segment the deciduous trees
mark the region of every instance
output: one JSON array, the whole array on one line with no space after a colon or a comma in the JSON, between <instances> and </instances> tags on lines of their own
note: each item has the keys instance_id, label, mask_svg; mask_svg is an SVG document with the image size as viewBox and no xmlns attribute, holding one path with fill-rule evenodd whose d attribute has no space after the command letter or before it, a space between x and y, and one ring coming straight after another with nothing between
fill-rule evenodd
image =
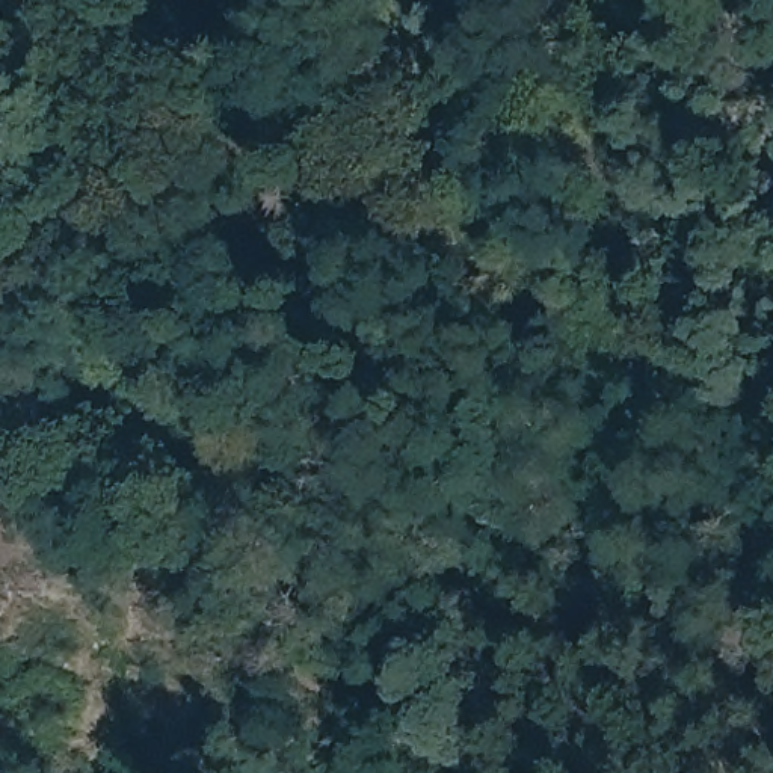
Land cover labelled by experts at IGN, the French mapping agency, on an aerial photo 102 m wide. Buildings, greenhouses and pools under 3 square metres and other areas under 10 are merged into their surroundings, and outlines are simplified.
<instances>
[{"instance_id":1,"label":"deciduous trees","mask_svg":"<svg viewBox=\"0 0 773 773\"><path fill-rule=\"evenodd\" d=\"M275 670L260 670L257 679L248 682L251 698L242 731L233 734L229 722L211 725L205 731L205 743L187 749L190 773L507 773L504 761L516 743L510 731L516 719L544 728L547 740L553 746L562 746L568 740L571 716L595 722L604 731L607 758L601 764L601 773L773 773L773 752L767 746L746 746L740 752L740 767L728 767L722 758L722 740L734 728L755 722L755 710L749 701L731 701L725 707L716 707L698 725L688 728L673 722L673 713L685 694L707 691L713 685L713 667L725 661L719 655L719 643L725 628L740 628L743 655L752 658L758 667L755 685L761 691L773 688L773 547L764 553L758 571L749 580L737 580L734 571L719 571L710 586L698 589L694 583L688 583L685 571L691 562L704 559L707 547L722 553L737 550L743 525L773 528L773 390L764 399L761 393L749 393L743 387L743 377L752 377L758 371L758 350L770 347L770 341L764 335L740 332L737 320L743 311L743 287L731 284L731 275L734 269L746 269L755 275L773 275L773 220L767 214L758 214L755 223L746 229L728 229L728 217L740 214L755 199L761 154L770 154L773 160L773 112L764 118L764 133L746 127L731 139L701 136L673 145L661 139L658 118L640 118L637 109L649 103L649 85L658 88L667 100L679 100L694 115L719 115L722 100L731 88L743 85L755 69L773 66L773 0L749 0L734 12L737 36L713 39L707 33L707 24L725 9L722 0L646 0L643 15L634 21L631 33L601 39L589 15L589 0L456 0L456 21L444 24L441 39L426 39L426 54L432 54L432 66L426 69L420 63L402 63L402 48L387 45L387 36L399 36L405 30L417 33L423 21L420 3L411 6L411 12L405 12L396 0L251 0L239 12L226 12L229 24L217 36L217 42L202 39L193 48L187 48L178 39L163 39L160 45L151 45L130 39L130 24L136 15L148 9L148 0L0 0L0 399L33 390L42 402L51 402L66 396L66 387L72 380L109 390L109 408L82 402L66 417L39 420L33 426L18 429L0 429L0 525L3 540L12 544L24 537L33 547L27 568L42 568L45 577L66 577L72 592L82 598L66 613L60 613L54 604L36 604L33 610L27 610L18 631L0 640L0 773L139 773L112 749L97 746L97 758L88 758L82 749L69 746L75 728L69 725L66 713L82 713L88 679L63 667L69 655L82 652L94 661L106 661L112 667L112 679L139 679L142 652L130 649L133 634L124 628L127 619L121 607L109 601L115 589L136 592L139 571L184 574L187 586L181 592L142 613L151 622L163 622L172 631L190 625L196 634L202 634L202 643L214 649L233 649L242 640L242 634L257 628L260 616L266 613L269 595L278 583L290 583L293 574L305 580L299 598L308 601L308 613L287 634L284 655L275 664ZM477 106L462 121L456 121L444 133L444 139L435 139L441 166L432 178L426 178L420 166L429 151L429 142L414 142L411 133L417 133L426 124L432 106L447 103L456 91L474 97ZM242 148L233 136L226 136L226 127L220 124L220 115L229 109L242 109L251 118L269 118L272 112L296 106L320 106L317 115L296 124L281 145L260 145L257 151ZM577 145L583 145L586 151L580 163L565 163L556 154L556 139L550 127L559 112L571 115L565 133L574 136ZM229 248L217 239L211 220L245 211L254 202L257 190L278 190L281 196L299 193L311 202L356 196L368 208L368 217L377 220L377 226L371 226L365 236L338 233L332 239L311 239L296 236L290 226L269 226L266 239L272 251L281 254L275 266L266 272L266 278L254 284L229 281ZM634 245L634 266L622 278L607 275L604 251L583 254L583 245L589 242L589 233L598 217L625 226ZM531 293L537 302L547 305L547 311L528 317L522 326L477 317L471 311L471 302L456 290L465 272L459 266L447 266L441 254L447 242L459 245L465 236L486 239L486 251L477 260L477 266L495 272L495 302L510 302L516 293ZM682 305L679 320L673 323L661 323L658 308L661 287L673 284L673 275L661 272L667 260L685 260L694 269L691 296ZM130 284L142 281L172 287L172 305L145 311L130 308L127 290ZM592 368L589 350L607 356L643 356L670 374L701 380L698 390L676 396L670 405L655 405L640 420L637 438L631 444L631 459L619 462L616 468L601 462L598 450L592 450L592 438L604 429L610 411L631 396L631 387L613 383L610 371ZM296 465L308 465L311 402L323 405L329 420L335 420L341 432L335 435L335 456L329 459L326 471L296 474ZM175 456L163 453L166 444L151 441L148 435L142 435L139 456L100 459L100 441L115 435L115 429L130 414L142 414L145 420L166 426L175 438L190 441L202 465L208 465L214 474L223 471L229 477L242 498L239 507L205 504L205 492L190 483L190 471L178 468ZM565 586L571 562L592 565L592 574L604 580L604 589L616 586L622 601L640 604L640 613L631 622L625 640L619 640L619 628L610 622L595 622L580 640L531 637L525 631L507 637L483 628L471 631L462 625L459 598L438 589L438 577L447 568L456 568L462 574L492 580L498 586L495 595L507 598L513 610L540 616L556 604L556 592ZM423 643L411 643L402 637L393 640L383 664L371 664L368 640L387 622L402 619L405 613L423 610L429 604L444 610L444 622ZM498 664L498 679L492 685L498 691L495 716L474 728L459 725L459 701L462 691L474 685L474 676L453 676L450 670L450 661L465 649L492 649ZM661 694L655 701L640 701L637 676L646 676L649 670L661 673ZM311 749L320 728L320 719L314 713L314 694L320 688L320 679L341 679L347 685L374 682L383 701L380 710L371 710L368 719L350 731L347 743L338 743L332 761L317 761Z\"/></svg>"}]
</instances>

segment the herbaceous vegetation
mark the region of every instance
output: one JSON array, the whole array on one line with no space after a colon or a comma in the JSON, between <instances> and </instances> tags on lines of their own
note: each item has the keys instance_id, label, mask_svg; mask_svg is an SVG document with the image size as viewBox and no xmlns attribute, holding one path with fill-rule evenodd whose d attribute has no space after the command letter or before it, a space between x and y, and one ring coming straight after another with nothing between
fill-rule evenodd
<instances>
[{"instance_id":1,"label":"herbaceous vegetation","mask_svg":"<svg viewBox=\"0 0 773 773\"><path fill-rule=\"evenodd\" d=\"M296 465L296 474L326 471L329 459L335 456L335 435L341 432L335 420L329 420L323 405L311 402L308 465Z\"/></svg>"},{"instance_id":2,"label":"herbaceous vegetation","mask_svg":"<svg viewBox=\"0 0 773 773\"><path fill-rule=\"evenodd\" d=\"M338 743L347 743L350 731L368 719L371 710L380 710L383 701L374 682L347 685L341 679L320 679L320 688L314 694L314 713L320 719L320 728L311 749L317 761L332 761Z\"/></svg>"},{"instance_id":3,"label":"herbaceous vegetation","mask_svg":"<svg viewBox=\"0 0 773 773\"><path fill-rule=\"evenodd\" d=\"M260 145L281 145L296 124L317 115L320 106L296 106L272 112L269 118L251 118L242 109L229 109L220 115L220 124L226 127L226 136L233 136L242 148L257 151Z\"/></svg>"},{"instance_id":4,"label":"herbaceous vegetation","mask_svg":"<svg viewBox=\"0 0 773 773\"><path fill-rule=\"evenodd\" d=\"M202 39L217 42L217 36L229 24L226 12L239 12L251 0L148 0L148 9L136 15L130 24L130 39L151 45L160 45L163 39L178 39L187 48L193 48Z\"/></svg>"},{"instance_id":5,"label":"herbaceous vegetation","mask_svg":"<svg viewBox=\"0 0 773 773\"><path fill-rule=\"evenodd\" d=\"M574 136L565 133L571 115L559 112L550 127L556 139L556 154L565 163L580 163L586 151L583 145L577 145Z\"/></svg>"},{"instance_id":6,"label":"herbaceous vegetation","mask_svg":"<svg viewBox=\"0 0 773 773\"><path fill-rule=\"evenodd\" d=\"M640 701L655 701L661 694L661 673L649 670L646 676L637 676Z\"/></svg>"},{"instance_id":7,"label":"herbaceous vegetation","mask_svg":"<svg viewBox=\"0 0 773 773\"><path fill-rule=\"evenodd\" d=\"M522 326L528 317L547 311L547 305L537 302L531 293L516 293L510 302L495 302L495 272L477 266L477 260L486 251L486 239L465 236L459 245L447 242L441 254L447 266L459 266L465 272L456 290L471 302L471 311L477 317Z\"/></svg>"},{"instance_id":8,"label":"herbaceous vegetation","mask_svg":"<svg viewBox=\"0 0 773 773\"><path fill-rule=\"evenodd\" d=\"M634 21L643 15L646 0L589 0L589 15L601 39L631 33Z\"/></svg>"},{"instance_id":9,"label":"herbaceous vegetation","mask_svg":"<svg viewBox=\"0 0 773 773\"><path fill-rule=\"evenodd\" d=\"M673 145L701 136L731 139L746 127L764 133L764 118L773 112L773 66L755 69L743 85L731 88L722 100L719 115L694 115L679 100L667 100L658 88L649 85L649 103L637 109L640 118L658 118L661 139Z\"/></svg>"},{"instance_id":10,"label":"herbaceous vegetation","mask_svg":"<svg viewBox=\"0 0 773 773\"><path fill-rule=\"evenodd\" d=\"M239 507L242 498L229 477L223 471L214 474L208 465L202 465L190 441L175 438L166 426L145 420L142 414L130 414L115 429L115 435L100 441L100 459L139 456L142 435L148 435L151 441L166 444L163 453L175 456L178 468L190 471L190 483L205 492L205 504Z\"/></svg>"},{"instance_id":11,"label":"herbaceous vegetation","mask_svg":"<svg viewBox=\"0 0 773 773\"><path fill-rule=\"evenodd\" d=\"M257 628L242 634L242 640L233 649L214 649L202 643L202 634L196 634L190 625L172 631L163 622L151 622L142 613L181 592L187 586L184 574L139 571L136 592L115 589L109 601L121 607L127 619L124 628L133 634L130 649L142 652L139 679L112 679L112 667L106 661L94 661L82 652L69 655L63 667L88 679L82 713L66 713L69 725L75 728L69 746L82 749L88 758L97 758L97 746L112 749L139 773L190 773L187 749L205 743L205 731L211 725L229 722L233 734L242 731L251 698L248 682L257 679L260 670L275 670L275 664L284 655L287 634L308 613L308 601L299 598L305 580L293 574L290 583L278 583L269 595L266 613L260 616Z\"/></svg>"},{"instance_id":12,"label":"herbaceous vegetation","mask_svg":"<svg viewBox=\"0 0 773 773\"><path fill-rule=\"evenodd\" d=\"M728 767L740 767L740 752L746 746L767 746L773 752L773 688L761 691L755 685L758 667L752 658L743 655L740 628L725 628L719 643L719 655L725 661L713 667L713 685L707 691L685 694L673 713L673 722L688 728L698 725L716 707L725 707L731 701L749 701L755 710L755 722L734 728L722 740L722 758Z\"/></svg>"},{"instance_id":13,"label":"herbaceous vegetation","mask_svg":"<svg viewBox=\"0 0 773 773\"><path fill-rule=\"evenodd\" d=\"M420 3L423 21L417 33L405 30L399 36L387 36L387 45L402 48L402 63L420 63L426 69L432 66L432 54L426 54L426 39L441 39L444 24L456 21L456 0L396 0L405 12L411 12L411 6Z\"/></svg>"},{"instance_id":14,"label":"herbaceous vegetation","mask_svg":"<svg viewBox=\"0 0 773 773\"><path fill-rule=\"evenodd\" d=\"M725 9L707 24L707 33L713 39L737 36L734 12L749 0L722 0Z\"/></svg>"},{"instance_id":15,"label":"herbaceous vegetation","mask_svg":"<svg viewBox=\"0 0 773 773\"><path fill-rule=\"evenodd\" d=\"M462 574L456 568L447 568L438 577L438 589L459 598L462 625L471 631L483 628L507 637L525 631L531 637L580 640L595 622L610 622L619 628L619 640L625 640L631 622L640 613L640 604L622 601L616 586L604 589L604 580L592 574L592 565L571 562L565 586L556 592L556 604L540 616L513 610L507 598L495 595L498 586L492 580Z\"/></svg>"},{"instance_id":16,"label":"herbaceous vegetation","mask_svg":"<svg viewBox=\"0 0 773 773\"><path fill-rule=\"evenodd\" d=\"M72 380L66 387L66 396L51 402L42 402L33 390L0 399L0 429L18 429L33 426L39 420L66 417L82 402L109 408L109 390Z\"/></svg>"},{"instance_id":17,"label":"herbaceous vegetation","mask_svg":"<svg viewBox=\"0 0 773 773\"><path fill-rule=\"evenodd\" d=\"M444 133L456 121L462 121L477 106L474 97L456 91L447 103L432 106L426 124L417 133L411 133L414 142L429 142L429 151L420 166L426 178L432 178L441 166L435 139L444 139Z\"/></svg>"},{"instance_id":18,"label":"herbaceous vegetation","mask_svg":"<svg viewBox=\"0 0 773 773\"><path fill-rule=\"evenodd\" d=\"M670 374L643 356L607 356L589 350L592 368L610 371L613 383L631 387L631 396L610 411L604 429L592 438L592 450L598 450L601 462L616 468L619 462L631 459L631 444L637 438L640 420L655 405L670 405L676 396L698 390L701 380Z\"/></svg>"},{"instance_id":19,"label":"herbaceous vegetation","mask_svg":"<svg viewBox=\"0 0 773 773\"><path fill-rule=\"evenodd\" d=\"M688 583L694 583L698 589L710 586L719 571L734 571L737 580L749 580L758 571L764 553L773 547L773 528L743 525L737 550L722 553L707 547L704 559L691 562L685 571Z\"/></svg>"},{"instance_id":20,"label":"herbaceous vegetation","mask_svg":"<svg viewBox=\"0 0 773 773\"><path fill-rule=\"evenodd\" d=\"M737 320L740 332L764 335L770 341L770 347L758 350L758 371L752 377L743 377L743 387L749 393L761 393L764 399L773 390L773 275L755 275L746 269L734 269L731 275L731 284L743 287L743 311Z\"/></svg>"},{"instance_id":21,"label":"herbaceous vegetation","mask_svg":"<svg viewBox=\"0 0 773 773\"><path fill-rule=\"evenodd\" d=\"M661 323L673 323L679 320L682 305L691 296L694 269L685 260L667 260L661 272L673 275L673 284L661 287L658 308Z\"/></svg>"},{"instance_id":22,"label":"herbaceous vegetation","mask_svg":"<svg viewBox=\"0 0 773 773\"><path fill-rule=\"evenodd\" d=\"M622 278L634 266L634 245L625 226L598 217L589 233L589 242L583 245L583 254L604 251L607 275Z\"/></svg>"},{"instance_id":23,"label":"herbaceous vegetation","mask_svg":"<svg viewBox=\"0 0 773 773\"><path fill-rule=\"evenodd\" d=\"M459 725L474 728L495 716L498 691L492 685L498 679L498 664L492 649L465 649L450 661L450 670L453 676L474 676L474 685L462 691L459 701Z\"/></svg>"},{"instance_id":24,"label":"herbaceous vegetation","mask_svg":"<svg viewBox=\"0 0 773 773\"><path fill-rule=\"evenodd\" d=\"M72 592L66 577L45 577L42 568L27 568L33 547L24 537L12 544L3 540L0 525L0 640L18 631L27 610L33 610L36 604L54 604L60 613L66 613L82 598Z\"/></svg>"},{"instance_id":25,"label":"herbaceous vegetation","mask_svg":"<svg viewBox=\"0 0 773 773\"><path fill-rule=\"evenodd\" d=\"M411 643L423 643L444 622L444 610L429 604L423 610L405 613L402 619L387 622L368 640L371 664L383 664L393 640L402 637Z\"/></svg>"},{"instance_id":26,"label":"herbaceous vegetation","mask_svg":"<svg viewBox=\"0 0 773 773\"><path fill-rule=\"evenodd\" d=\"M516 743L504 761L507 773L601 773L601 764L607 758L604 731L595 722L571 716L568 740L562 746L553 746L547 740L544 728L516 719L510 731Z\"/></svg>"},{"instance_id":27,"label":"herbaceous vegetation","mask_svg":"<svg viewBox=\"0 0 773 773\"><path fill-rule=\"evenodd\" d=\"M746 229L755 223L758 214L767 214L773 220L773 160L770 154L761 154L755 199L740 214L728 217L728 229Z\"/></svg>"},{"instance_id":28,"label":"herbaceous vegetation","mask_svg":"<svg viewBox=\"0 0 773 773\"><path fill-rule=\"evenodd\" d=\"M130 284L127 290L130 308L145 311L172 305L172 287L142 281Z\"/></svg>"},{"instance_id":29,"label":"herbaceous vegetation","mask_svg":"<svg viewBox=\"0 0 773 773\"><path fill-rule=\"evenodd\" d=\"M377 226L377 220L368 217L368 208L356 196L311 202L299 193L281 196L278 190L257 190L254 202L245 211L211 220L217 239L229 248L229 281L254 284L266 278L266 272L275 266L281 254L272 251L266 239L269 226L290 226L296 236L311 239L332 239L338 233L365 236L371 226Z\"/></svg>"}]
</instances>

